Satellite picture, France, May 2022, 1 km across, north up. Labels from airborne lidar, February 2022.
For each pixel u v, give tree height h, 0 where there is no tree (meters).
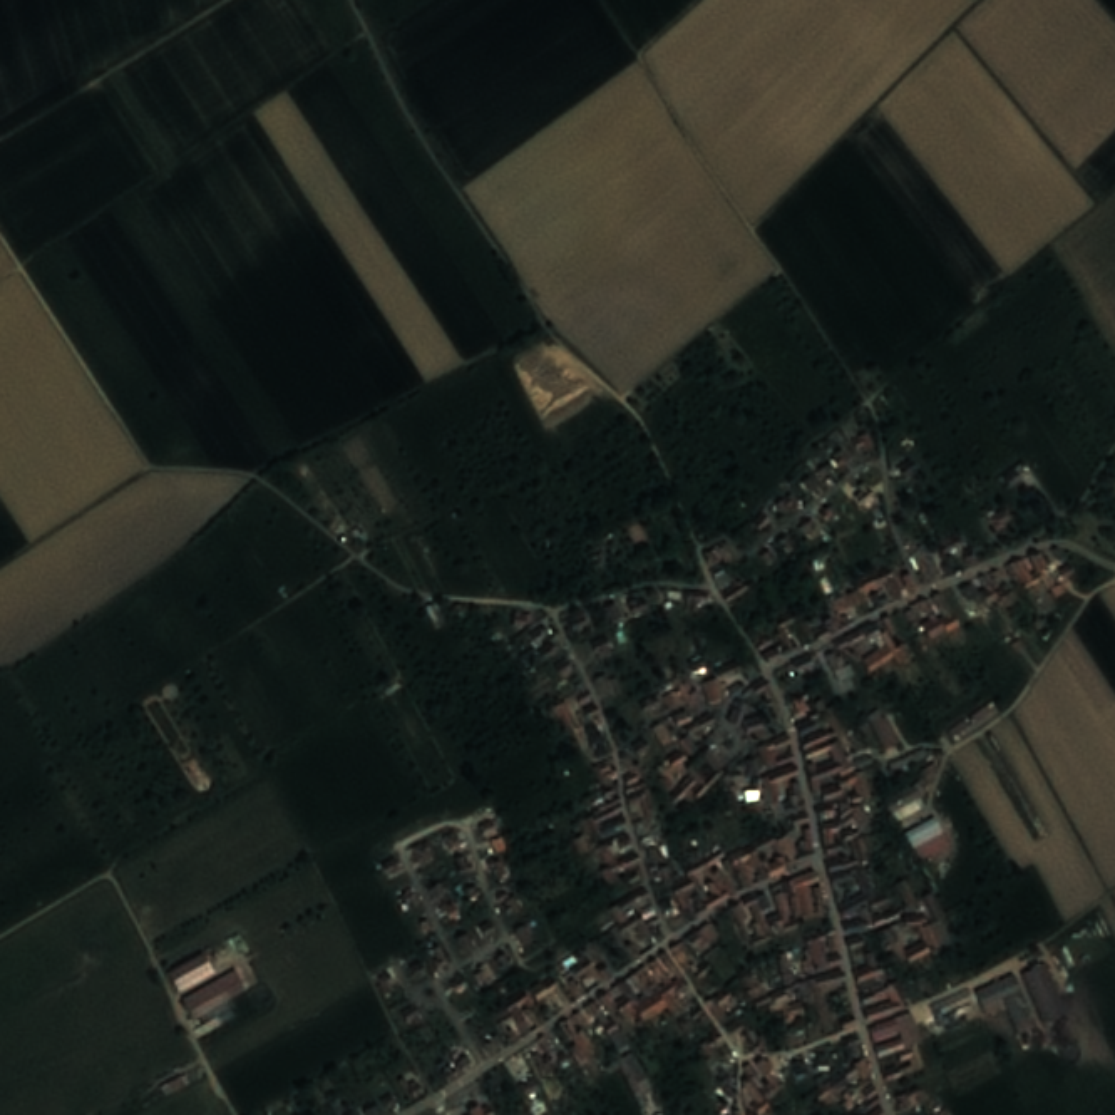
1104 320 0
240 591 0
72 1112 0
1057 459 0
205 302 0
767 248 0
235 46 0
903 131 0
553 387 0
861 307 0
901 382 0
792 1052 0
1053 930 0
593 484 9
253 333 0
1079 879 0
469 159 0
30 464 0
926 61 0
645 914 0
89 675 0
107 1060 0
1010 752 0
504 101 0
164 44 0
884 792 11
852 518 0
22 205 0
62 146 0
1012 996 0
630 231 0
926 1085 0
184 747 0
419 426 0
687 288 0
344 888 0
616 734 7
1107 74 0
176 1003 0
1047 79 0
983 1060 0
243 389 0
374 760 0
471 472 7
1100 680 0
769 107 0
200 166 0
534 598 7
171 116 0
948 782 0
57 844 0
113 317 0
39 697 0
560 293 0
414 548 0
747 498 7
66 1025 0
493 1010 7
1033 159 0
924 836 0
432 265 0
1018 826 0
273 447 0
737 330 0
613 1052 8
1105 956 0
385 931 0
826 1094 0
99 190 0
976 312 0
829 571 0
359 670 0
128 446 0
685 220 0
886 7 0
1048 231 0
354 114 0
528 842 9
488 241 0
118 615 0
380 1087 0
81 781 0
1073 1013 0
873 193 0
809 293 0
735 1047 0
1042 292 0
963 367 0
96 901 0
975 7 0
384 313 0
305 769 0
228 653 0
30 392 0
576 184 0
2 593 0
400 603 0
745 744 0
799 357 0
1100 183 0
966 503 6
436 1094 0
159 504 0
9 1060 0
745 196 0
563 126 0
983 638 0
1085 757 0
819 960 0
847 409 0
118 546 0
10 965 0
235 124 0
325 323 0
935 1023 0
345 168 0
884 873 10
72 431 0
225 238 0
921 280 0
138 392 0
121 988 0
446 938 0
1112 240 0
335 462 0
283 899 0
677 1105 10
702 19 0
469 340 0
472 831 0
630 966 0
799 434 7
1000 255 0
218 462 0
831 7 0
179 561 0
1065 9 0
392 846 0
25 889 0
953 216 0
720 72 0
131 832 0
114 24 0
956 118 0
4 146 0
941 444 0
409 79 0
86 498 0
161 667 0
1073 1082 0
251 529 0
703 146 0
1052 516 19
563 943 0
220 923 0
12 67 0
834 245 0
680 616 0
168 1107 0
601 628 10
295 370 0
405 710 0
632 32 0
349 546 0
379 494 0
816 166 0
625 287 0
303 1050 0
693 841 9
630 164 0
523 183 0
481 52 0
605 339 0
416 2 0
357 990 0
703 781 0
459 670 0
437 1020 0
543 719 12
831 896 0
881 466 0
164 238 0
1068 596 0
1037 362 0
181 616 0
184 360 0
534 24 0
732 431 0
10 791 0
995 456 0
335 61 0
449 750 0
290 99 0
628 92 0
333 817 0
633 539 0
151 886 0
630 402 10
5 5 0
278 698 0
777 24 0
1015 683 0
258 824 0
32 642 0
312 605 0
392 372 0
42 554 0
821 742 0
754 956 12
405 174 0
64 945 0
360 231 0
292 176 0
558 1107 0
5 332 0
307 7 0
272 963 0
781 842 0
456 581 0
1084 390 0
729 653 0
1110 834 0
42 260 0
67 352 0
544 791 0
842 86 0
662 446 0
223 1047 0
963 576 0
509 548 0
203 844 0
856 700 8
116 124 0
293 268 0
